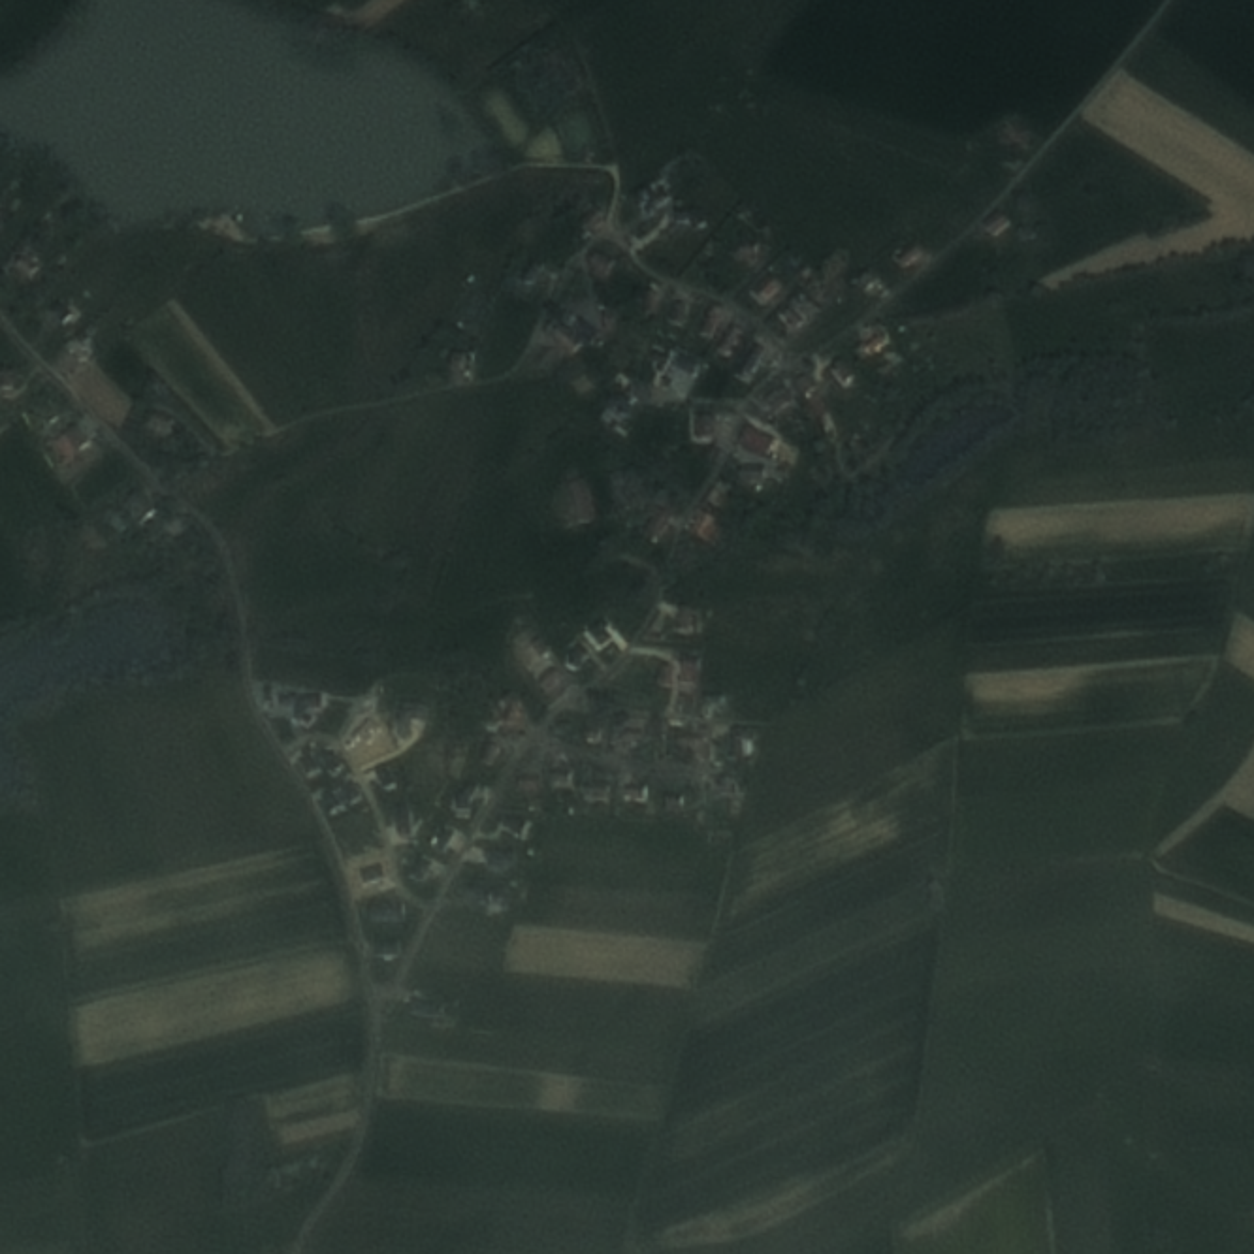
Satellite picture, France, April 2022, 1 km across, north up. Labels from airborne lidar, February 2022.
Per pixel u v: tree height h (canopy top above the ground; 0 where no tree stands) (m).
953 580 0
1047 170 0
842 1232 0
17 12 0
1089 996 0
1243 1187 0
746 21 0
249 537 0
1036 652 0
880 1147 0
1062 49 0
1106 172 0
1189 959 0
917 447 0
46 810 0
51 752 0
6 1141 0
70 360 0
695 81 0
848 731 0
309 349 0
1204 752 0
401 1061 0
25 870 0
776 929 0
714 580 0
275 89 0
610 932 0
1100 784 0
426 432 0
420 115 0
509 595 0
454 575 0
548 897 0
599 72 0
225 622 10
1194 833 0
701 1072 0
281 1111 0
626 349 0
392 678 0
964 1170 0
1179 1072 0
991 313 0
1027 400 19
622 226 0
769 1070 0
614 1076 0
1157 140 0
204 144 0
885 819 0
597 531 0
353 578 0
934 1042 0
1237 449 0
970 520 0
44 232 15
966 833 0
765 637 0
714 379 0
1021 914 0
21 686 0
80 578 0
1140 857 0
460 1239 0
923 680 0
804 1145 0
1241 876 0
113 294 0
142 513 0
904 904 0
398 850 0
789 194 0
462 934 0
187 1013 0
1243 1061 0
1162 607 0
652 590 17
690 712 0
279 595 0
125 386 0
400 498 0
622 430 0
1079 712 0
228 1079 0
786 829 0
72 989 0
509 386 0
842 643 0
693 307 0
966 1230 0
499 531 0
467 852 0
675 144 0
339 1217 0
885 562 0
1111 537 0
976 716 0
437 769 0
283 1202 0
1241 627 0
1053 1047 0
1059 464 0
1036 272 0
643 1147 0
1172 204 0
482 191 0
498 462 0
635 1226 0
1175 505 0
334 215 11
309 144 0
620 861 0
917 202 0
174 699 0
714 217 0
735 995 0
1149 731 0
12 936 0
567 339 0
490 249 0
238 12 0
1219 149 0
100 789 0
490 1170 0
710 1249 0
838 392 0
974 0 0
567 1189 0
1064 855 0
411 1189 0
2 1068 0
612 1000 0
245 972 0
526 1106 0
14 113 0
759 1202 0
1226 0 0
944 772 0
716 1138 0
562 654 0
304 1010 0
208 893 0
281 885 0
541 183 0
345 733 0
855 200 0
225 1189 14
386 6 0
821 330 0
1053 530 0
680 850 0
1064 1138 0
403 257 0
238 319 0
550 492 0
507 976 0
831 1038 0
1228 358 0
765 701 0
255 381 0
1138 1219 0
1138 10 0
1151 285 0
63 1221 0
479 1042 0
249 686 0
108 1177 0
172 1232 0
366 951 0
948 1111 0
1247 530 0
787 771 0
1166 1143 0
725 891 0
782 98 0
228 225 0
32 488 0
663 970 0
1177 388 0
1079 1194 0
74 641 0
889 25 0
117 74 0
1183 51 0
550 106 0
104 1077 0
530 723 0
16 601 0
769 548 0
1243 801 0
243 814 0
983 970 0
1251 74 0
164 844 0
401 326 0
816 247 0
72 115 0
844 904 0
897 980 0
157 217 0
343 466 0
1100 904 0
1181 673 0
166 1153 0
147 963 0
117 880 0
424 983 0
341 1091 0
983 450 17
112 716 0
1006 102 0
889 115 0
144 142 0
